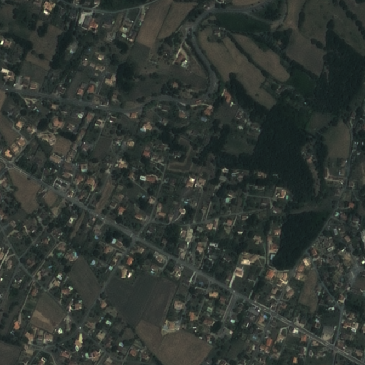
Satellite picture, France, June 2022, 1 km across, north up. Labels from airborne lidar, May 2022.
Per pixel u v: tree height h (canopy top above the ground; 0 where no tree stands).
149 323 0
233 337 6
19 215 0
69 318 0
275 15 8
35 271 0
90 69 0
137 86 0
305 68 9
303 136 20
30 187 0
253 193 11
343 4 14
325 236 17
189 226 0
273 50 17
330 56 7
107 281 0
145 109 15
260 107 18
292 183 11
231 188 20
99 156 0
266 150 15
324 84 11
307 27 0
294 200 18
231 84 14
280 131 16
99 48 7
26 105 12
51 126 0
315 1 0
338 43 14
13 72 15
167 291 0
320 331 6
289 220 19
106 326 8
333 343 6
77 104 0
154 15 0
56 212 0
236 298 0
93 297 0
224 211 13
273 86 12
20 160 9
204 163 8
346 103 15
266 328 0
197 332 6
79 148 10
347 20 0
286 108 9
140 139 10
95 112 10
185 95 0
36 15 12
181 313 6
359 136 10
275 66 0
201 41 0
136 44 0
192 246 6
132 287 0
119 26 0
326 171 0
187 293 0
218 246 7
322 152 25
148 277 0
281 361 6
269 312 0
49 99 5
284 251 19
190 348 0
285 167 10
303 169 18
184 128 12
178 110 7
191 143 14
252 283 0
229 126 9
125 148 0
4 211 6
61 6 11
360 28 14
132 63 6
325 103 7
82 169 0
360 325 6
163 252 0
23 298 0
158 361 9
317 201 8
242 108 11
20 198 0
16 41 17
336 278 0
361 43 0
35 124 0
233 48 0
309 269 0
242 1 0
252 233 9
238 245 8
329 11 0
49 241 11
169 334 0
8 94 9
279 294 9
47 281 0
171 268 9
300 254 15
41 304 0
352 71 12
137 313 0
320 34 0
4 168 0
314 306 0
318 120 0
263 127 13
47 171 0
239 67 0
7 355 0
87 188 13
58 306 0
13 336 6
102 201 0
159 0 0
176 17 0
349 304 9
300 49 0
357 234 9
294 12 0
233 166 18
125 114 0
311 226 16
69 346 9
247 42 0
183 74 0
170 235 8
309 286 0
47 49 0
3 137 9
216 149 15
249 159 16
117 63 20
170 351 0
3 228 0
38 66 0
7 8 0
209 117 7
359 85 14
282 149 10
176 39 8
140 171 7
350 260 0
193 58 0
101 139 0
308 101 14
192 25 0
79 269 0
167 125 9
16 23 0
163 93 19
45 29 15
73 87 0
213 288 9
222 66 0
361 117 9
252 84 0
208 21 13
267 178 10
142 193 0
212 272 9
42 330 0
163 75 0
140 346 0
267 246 0
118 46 16
